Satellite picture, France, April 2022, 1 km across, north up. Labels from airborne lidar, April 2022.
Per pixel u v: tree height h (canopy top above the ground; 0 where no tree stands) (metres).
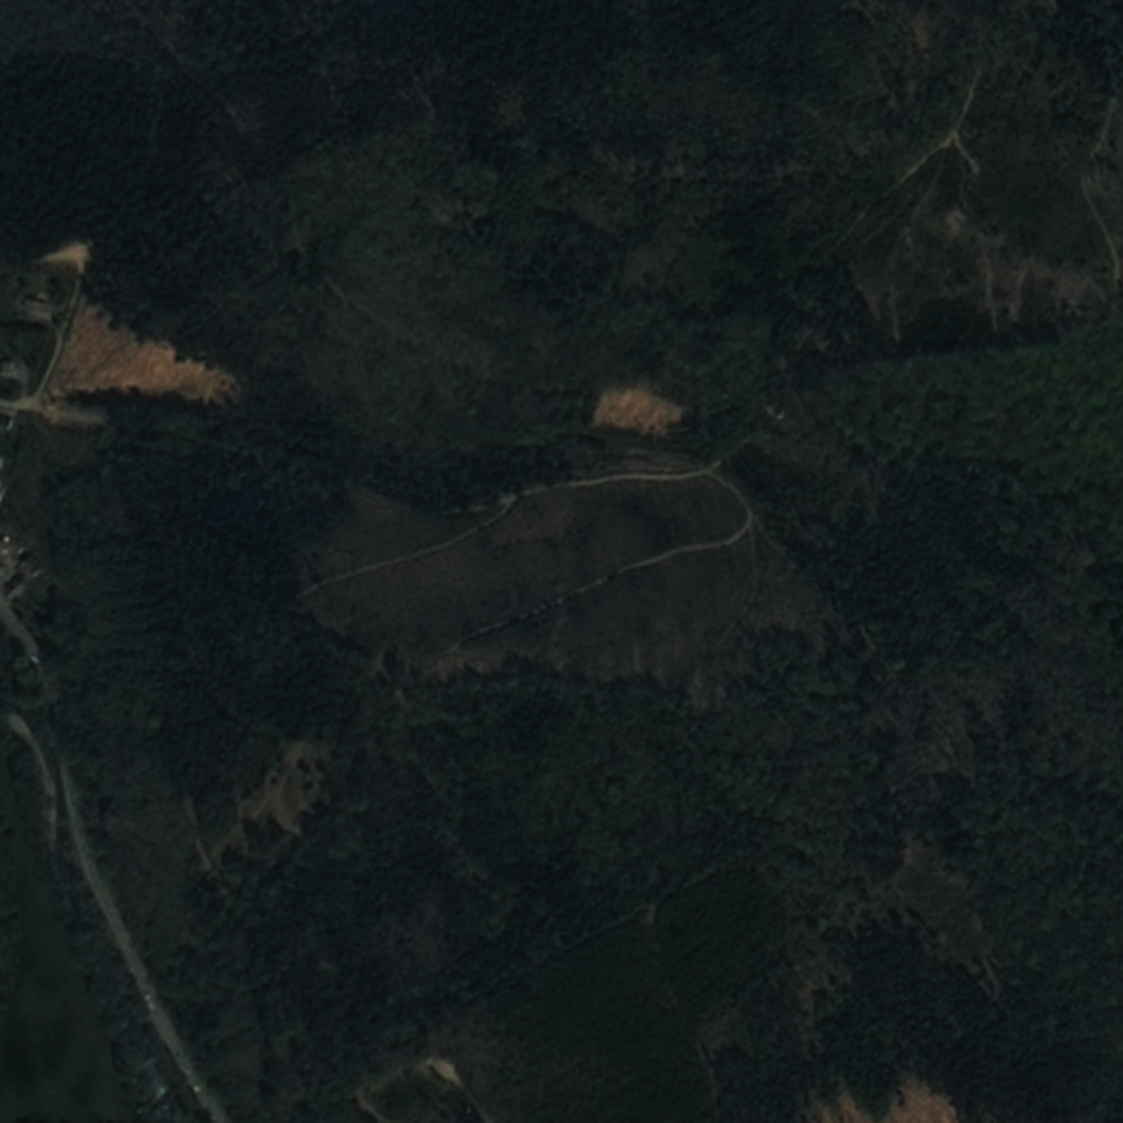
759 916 10
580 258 24
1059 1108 25
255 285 23
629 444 0
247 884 22
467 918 18
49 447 11
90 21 28
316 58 23
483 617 0
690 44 31
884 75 16
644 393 0
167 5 29
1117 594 18
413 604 0
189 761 15
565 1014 10
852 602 24
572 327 24
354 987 23
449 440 17
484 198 19
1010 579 19
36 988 0
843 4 15
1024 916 30
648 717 18
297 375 31
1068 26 21
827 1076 14
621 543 0
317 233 12
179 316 25
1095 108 10
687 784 16
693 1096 10
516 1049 9
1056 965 23
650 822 19
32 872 0
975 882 25
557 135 20
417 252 20
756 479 6
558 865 21
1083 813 29
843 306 27
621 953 10
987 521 22
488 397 23
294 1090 22
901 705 22
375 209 19
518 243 17
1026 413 29
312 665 19
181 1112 26
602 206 10
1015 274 0
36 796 31
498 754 12
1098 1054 24
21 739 12
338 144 19
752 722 19
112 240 27
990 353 27
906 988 25
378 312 20
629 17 24
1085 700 20
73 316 10
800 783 23
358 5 28
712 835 16
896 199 6
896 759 26
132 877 15
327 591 0
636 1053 10
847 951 21
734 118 21
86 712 16
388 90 21
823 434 26
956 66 20
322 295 22
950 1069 19
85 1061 0
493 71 25
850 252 6
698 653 0
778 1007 20
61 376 0
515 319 19
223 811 24
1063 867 25
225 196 28
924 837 32
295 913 26
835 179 9
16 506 8
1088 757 29
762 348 25
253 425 24
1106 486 24
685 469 0
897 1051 22
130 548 23
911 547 27
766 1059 19
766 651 20
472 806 15
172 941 20
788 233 12
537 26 28
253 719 22
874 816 26
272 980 17
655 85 24
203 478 23
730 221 9
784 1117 16
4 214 31
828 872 19
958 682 25
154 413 25
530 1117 9
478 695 20
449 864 20
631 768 15
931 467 30
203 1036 22
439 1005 22
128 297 14
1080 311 0
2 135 33
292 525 35
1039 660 20
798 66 17
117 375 0
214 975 22
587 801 17
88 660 22
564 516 0
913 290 0
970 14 19
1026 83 7
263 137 23
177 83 25
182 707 15
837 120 21
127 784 17
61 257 0
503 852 18
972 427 30
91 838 15
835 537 25
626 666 0
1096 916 24
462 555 0
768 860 10
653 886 15
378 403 21
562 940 18
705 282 13
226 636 24
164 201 28
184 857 19
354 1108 21
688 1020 11
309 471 30
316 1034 21
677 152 17
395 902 16
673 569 0
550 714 23
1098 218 0
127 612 23
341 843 30
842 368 26
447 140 20
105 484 24
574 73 23
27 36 25
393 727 16
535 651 0
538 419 25
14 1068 0
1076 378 28
